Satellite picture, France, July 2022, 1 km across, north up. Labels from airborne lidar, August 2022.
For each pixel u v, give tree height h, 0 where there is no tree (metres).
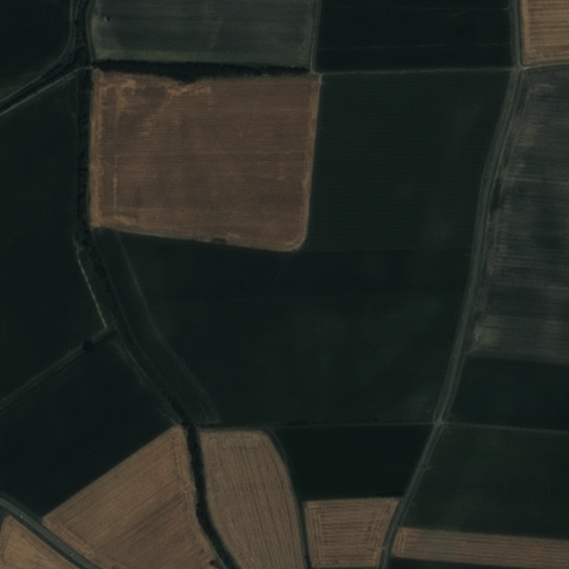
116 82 0
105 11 0
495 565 0
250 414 0
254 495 0
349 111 0
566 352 0
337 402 0
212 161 0
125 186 0
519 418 0
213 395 0
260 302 0
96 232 0
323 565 0
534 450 0
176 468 0
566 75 0
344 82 0
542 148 0
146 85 0
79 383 0
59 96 0
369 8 0
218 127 0
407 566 0
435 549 0
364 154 0
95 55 0
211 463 0
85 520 0
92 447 0
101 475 0
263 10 0
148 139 0
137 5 0
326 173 0
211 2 0
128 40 0
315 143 0
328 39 0
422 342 0
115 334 0
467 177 0
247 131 0
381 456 0
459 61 0
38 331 0
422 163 0
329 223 0
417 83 0
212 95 0
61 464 0
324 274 0
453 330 0
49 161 0
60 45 0
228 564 6
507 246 0
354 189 0
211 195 0
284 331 0
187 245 0
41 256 0
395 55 0
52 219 0
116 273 0
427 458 0
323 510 0
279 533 0
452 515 0
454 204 0
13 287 0
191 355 0
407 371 0
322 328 0
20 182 0
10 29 0
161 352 0
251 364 0
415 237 0
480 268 0
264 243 0
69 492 0
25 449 0
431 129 0
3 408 0
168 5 0
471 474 0
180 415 11
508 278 0
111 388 0
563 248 0
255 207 0
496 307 0
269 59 0
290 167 0
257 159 0
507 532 0
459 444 0
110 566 0
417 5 0
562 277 0
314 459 0
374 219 0
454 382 0
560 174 0
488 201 0
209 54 0
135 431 0
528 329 0
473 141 0
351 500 0
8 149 0
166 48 0
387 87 0
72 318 0
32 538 0
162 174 0
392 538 0
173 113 0
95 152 0
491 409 0
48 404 0
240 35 0
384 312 0
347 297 0
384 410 0
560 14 0
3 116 0
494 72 0
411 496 0
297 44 0
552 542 0
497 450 0
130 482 0
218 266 0
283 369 0
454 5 0
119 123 0
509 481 0
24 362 0
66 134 0
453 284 0
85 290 0
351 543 0
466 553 0
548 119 0
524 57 0
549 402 0
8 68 0
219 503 0
